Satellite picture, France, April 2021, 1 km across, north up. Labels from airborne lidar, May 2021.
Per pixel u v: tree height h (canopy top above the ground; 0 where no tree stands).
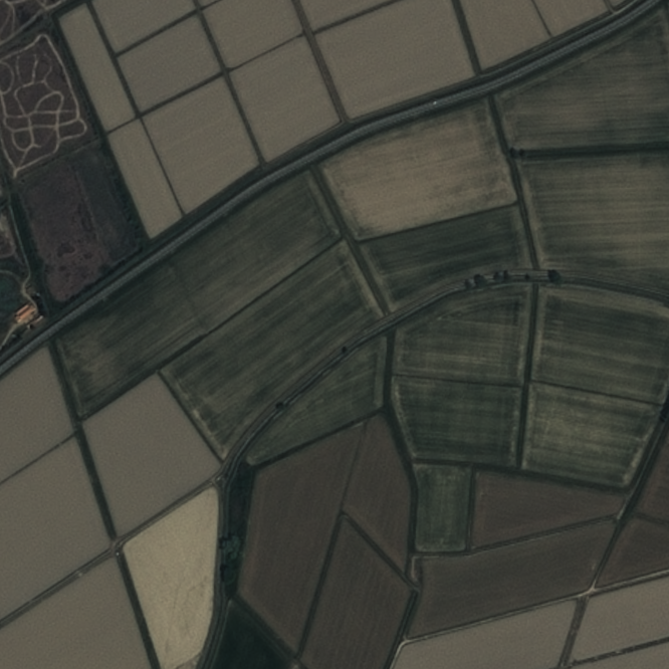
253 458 0
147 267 0
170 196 0
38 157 0
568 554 0
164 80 0
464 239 0
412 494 0
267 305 0
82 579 0
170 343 0
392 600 0
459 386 0
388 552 0
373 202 0
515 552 0
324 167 0
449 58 0
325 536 0
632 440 0
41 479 0
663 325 0
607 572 0
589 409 0
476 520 0
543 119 0
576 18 0
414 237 0
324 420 0
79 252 0
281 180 0
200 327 0
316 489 0
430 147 0
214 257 0
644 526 0
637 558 0
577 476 0
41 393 0
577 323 0
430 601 0
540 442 0
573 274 0
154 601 0
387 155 0
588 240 0
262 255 0
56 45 0
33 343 0
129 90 0
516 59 0
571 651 0
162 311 0
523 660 0
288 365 0
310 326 0
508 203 0
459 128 0
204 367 0
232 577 13
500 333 0
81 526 0
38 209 0
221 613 0
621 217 0
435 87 0
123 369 0
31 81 0
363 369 0
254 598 0
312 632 0
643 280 0
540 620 0
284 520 0
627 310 0
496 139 0
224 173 0
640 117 0
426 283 0
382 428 0
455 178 0
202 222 0
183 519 0
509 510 0
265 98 0
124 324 0
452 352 0
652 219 0
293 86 0
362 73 0
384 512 0
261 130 0
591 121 0
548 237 0
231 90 0
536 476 0
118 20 0
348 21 0
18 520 0
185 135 0
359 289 0
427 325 0
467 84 0
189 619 0
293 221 0
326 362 0
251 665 0
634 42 0
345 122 0
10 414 0
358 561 0
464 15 0
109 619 0
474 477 0
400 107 0
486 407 0
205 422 0
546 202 0
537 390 0
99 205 0
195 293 0
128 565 0
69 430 0
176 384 0
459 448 0
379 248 0
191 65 0
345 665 0
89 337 0
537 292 0
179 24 0
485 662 0
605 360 0
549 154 0
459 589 0
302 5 0
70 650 0
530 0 0
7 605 0
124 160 0
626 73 0
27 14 0
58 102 0
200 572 0
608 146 0
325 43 0
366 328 0
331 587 0
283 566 0
